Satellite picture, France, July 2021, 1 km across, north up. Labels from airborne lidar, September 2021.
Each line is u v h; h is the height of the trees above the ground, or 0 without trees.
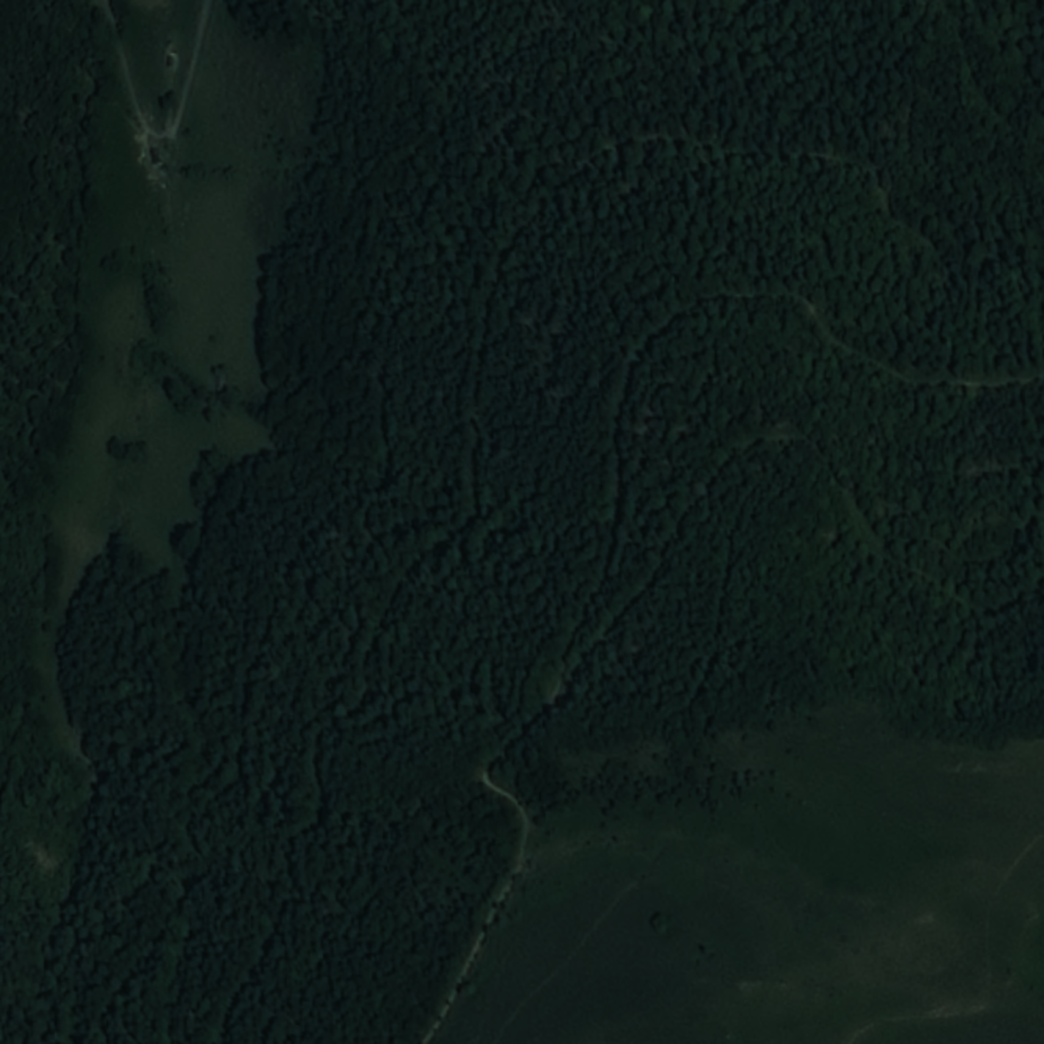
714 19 15
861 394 22
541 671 22
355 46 20
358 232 20
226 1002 20
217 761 30
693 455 21
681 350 23
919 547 22
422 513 29
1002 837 0
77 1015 8
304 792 27
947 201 21
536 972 0
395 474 22
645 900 0
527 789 15
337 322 27
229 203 0
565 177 19
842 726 0
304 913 23
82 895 31
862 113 16
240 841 19
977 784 0
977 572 23
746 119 26
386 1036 21
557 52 23
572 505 21
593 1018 0
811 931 0
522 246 14
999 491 19
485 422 6
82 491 0
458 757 18
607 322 20
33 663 23
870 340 22
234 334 0
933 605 20
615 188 26
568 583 21
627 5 18
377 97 21
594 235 19
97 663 22
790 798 8
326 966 12
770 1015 0
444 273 15
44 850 6
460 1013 0
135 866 27
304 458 23
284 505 20
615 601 18
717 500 14
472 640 17
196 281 0
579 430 18
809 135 27
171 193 0
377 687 10
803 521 17
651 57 26
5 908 23
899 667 18
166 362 9
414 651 13
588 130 21
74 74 26
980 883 0
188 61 0
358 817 6
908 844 0
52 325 28
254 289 0
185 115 0
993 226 29
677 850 0
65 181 30
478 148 27
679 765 12
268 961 16
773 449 16
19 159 17
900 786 0
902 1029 0
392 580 25
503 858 14
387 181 24
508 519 8
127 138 0
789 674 18
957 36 14
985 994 0
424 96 19
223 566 23
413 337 19
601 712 22
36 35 17
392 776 16
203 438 0
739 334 23
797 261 22
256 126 0
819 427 13
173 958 23
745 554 17
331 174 24
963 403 26
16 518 20
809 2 19
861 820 0
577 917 0
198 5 0
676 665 21
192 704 8
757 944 0
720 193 24
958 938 0
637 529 17
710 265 27
